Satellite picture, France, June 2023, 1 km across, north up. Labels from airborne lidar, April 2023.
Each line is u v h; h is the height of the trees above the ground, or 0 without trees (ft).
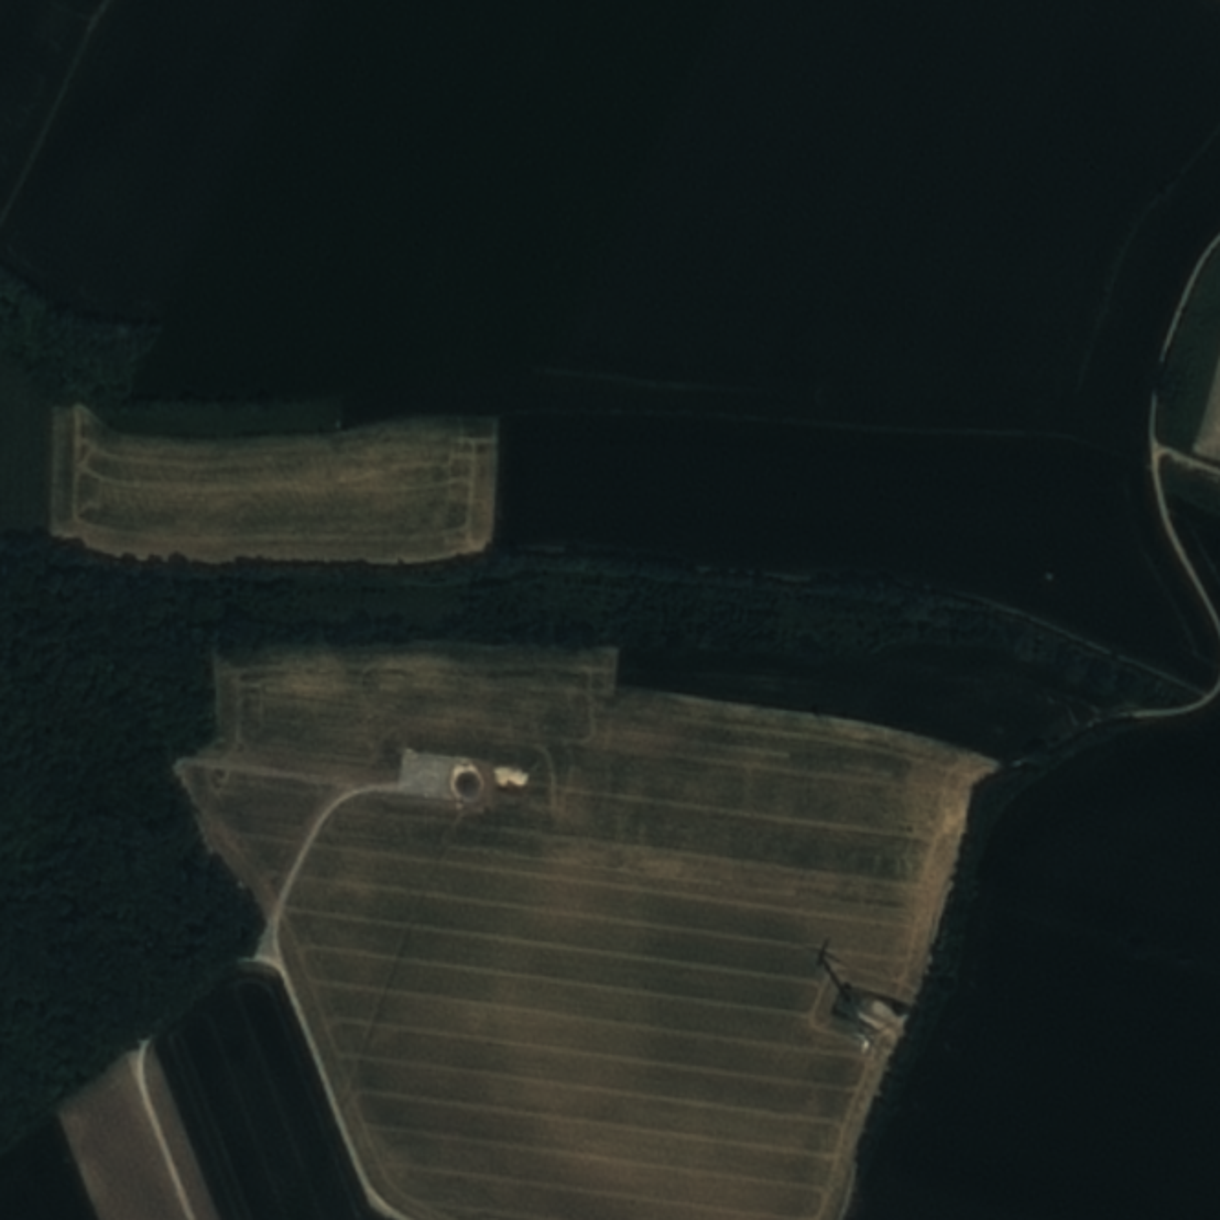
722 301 0
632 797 0
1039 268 0
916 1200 0
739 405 0
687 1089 0
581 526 0
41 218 0
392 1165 0
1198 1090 0
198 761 0
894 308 0
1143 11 0
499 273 0
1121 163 0
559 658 0
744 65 0
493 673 0
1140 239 0
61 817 52
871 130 0
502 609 30
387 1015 0
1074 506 0
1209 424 0
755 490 0
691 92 0
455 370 0
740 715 0
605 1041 0
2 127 0
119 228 0
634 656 0
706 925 0
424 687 0
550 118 0
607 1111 0
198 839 51
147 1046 0
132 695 58
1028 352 0
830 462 0
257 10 0
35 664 35
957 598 26
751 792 0
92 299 0
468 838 0
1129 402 0
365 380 0
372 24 0
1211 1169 0
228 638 60
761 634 27
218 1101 0
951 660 0
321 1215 0
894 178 0
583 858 0
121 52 0
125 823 44
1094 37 0
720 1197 0
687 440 0
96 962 73
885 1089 28
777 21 0
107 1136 0
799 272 0
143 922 72
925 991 24
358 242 0
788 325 0
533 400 0
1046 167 0
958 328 0
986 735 0
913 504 0
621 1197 0
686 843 0
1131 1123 0
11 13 0
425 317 0
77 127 0
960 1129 0
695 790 0
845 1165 0
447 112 0
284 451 0
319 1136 0
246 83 0
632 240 0
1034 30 0
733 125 0
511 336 0
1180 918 0
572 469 0
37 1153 0
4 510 0
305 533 0
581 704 0
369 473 0
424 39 0
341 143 0
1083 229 0
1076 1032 0
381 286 0
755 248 0
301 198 0
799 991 0
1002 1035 0
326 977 0
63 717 42
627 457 0
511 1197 0
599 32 0
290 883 0
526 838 0
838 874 0
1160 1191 0
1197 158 0
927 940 0
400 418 0
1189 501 0
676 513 0
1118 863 0
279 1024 0
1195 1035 0
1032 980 0
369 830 0
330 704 0
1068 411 0
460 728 0
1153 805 0
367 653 0
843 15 0
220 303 0
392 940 0
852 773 0
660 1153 0
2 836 53
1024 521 0
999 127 0
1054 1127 0
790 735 0
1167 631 0
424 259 0
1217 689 0
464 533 0
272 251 0
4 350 36
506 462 0
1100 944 0
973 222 0
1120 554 0
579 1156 0
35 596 42
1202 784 0
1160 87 0
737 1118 0
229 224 0
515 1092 0
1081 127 0
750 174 0
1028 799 0
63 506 0
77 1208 0
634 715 0
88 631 79
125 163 0
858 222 0
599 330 0
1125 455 0
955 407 0
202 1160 0
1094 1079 0
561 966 0
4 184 0
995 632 34
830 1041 0
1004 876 0
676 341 0
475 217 0
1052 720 0
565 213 0
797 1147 0
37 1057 51
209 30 0
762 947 0
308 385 0
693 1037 0
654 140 0
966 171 0
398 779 0
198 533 0
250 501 0
